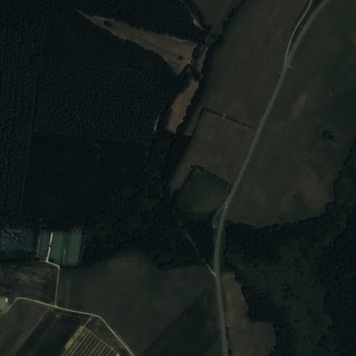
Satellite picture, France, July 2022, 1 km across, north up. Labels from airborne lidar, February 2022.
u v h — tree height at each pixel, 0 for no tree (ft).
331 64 0
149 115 65
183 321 0
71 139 52
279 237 69
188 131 0
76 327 0
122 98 94
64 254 0
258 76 0
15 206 95
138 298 0
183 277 0
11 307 0
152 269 0
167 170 93
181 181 0
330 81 0
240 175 0
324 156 0
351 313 84
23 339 0
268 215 0
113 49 65
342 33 0
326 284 73
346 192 28
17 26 39
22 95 85
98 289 0
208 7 0
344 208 37
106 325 0
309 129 0
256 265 28
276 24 0
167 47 0
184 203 0
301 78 0
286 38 0
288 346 68
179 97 0
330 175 0
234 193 0
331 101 0
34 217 44
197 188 0
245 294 76
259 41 0
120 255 0
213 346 0
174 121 0
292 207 0
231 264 44
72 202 41
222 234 0
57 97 88
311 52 0
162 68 67
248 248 72
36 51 67
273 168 0
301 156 0
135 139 90
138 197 62
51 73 104
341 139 0
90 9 71
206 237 65
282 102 0
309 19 0
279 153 0
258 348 0
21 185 93
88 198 48
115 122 105
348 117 0
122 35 0
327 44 0
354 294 89
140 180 48
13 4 60
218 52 0
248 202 0
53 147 47
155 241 69
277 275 20
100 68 102
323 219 62
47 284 0
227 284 0
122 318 0
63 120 90
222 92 0
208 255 45
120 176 49
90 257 55
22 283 0
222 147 0
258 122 0
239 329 0
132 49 82
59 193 45
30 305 0
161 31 66
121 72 73
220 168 0
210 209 0
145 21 74
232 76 0
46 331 0
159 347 0
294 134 0
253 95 0
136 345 0
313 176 0
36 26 94
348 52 0
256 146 0
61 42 86
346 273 93
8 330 0
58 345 0
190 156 0
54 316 0
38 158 53
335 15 0
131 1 83
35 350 0
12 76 97
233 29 0
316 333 20
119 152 47
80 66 94
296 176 0
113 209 67
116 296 0
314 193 0
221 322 0
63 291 0
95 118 103
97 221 80
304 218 0
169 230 45
